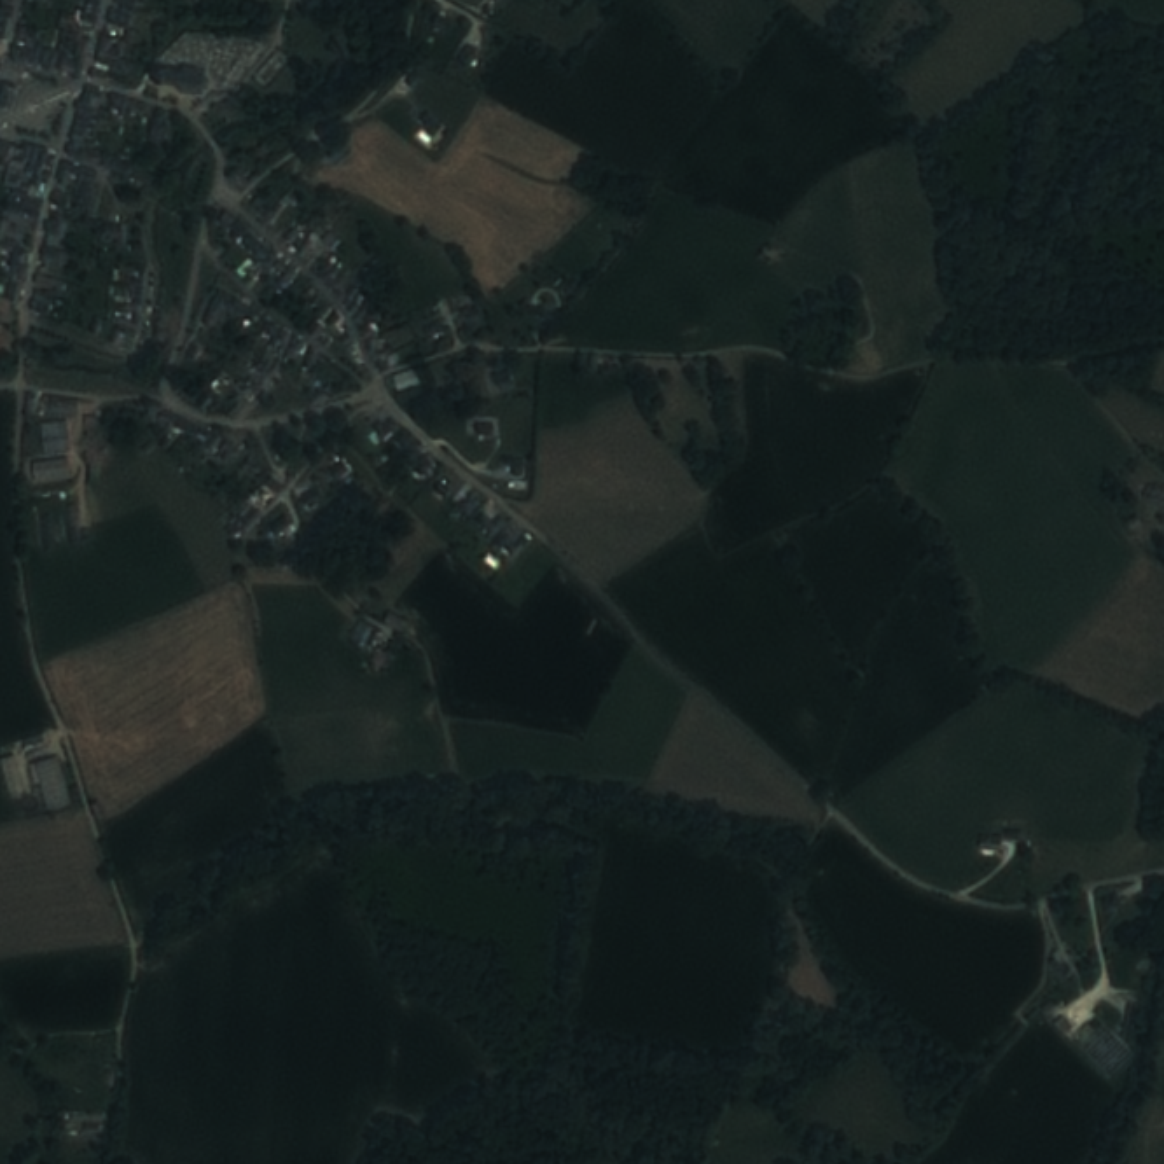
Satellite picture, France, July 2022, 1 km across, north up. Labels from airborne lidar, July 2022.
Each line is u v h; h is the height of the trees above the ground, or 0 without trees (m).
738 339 0
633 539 0
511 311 14
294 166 0
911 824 0
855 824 0
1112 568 0
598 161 8
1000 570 0
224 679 0
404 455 10
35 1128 19
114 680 0
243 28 18
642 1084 16
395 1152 19
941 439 0
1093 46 6
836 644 7
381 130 0
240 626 0
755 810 0
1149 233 0
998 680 17
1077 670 0
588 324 0
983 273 35
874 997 11
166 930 18
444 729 0
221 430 7
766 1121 0
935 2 18
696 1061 23
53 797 0
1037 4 0
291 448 24
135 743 0
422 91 0
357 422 0
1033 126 28
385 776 0
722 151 0
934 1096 17
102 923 0
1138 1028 12
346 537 30
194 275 0
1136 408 0
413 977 12
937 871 0
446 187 0
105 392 0
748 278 0
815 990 0
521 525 0
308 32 0
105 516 0
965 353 13
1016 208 25
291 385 0
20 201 0
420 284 0
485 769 0
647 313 0
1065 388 0
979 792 0
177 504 0
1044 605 0
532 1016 10
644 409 12
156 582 0
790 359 15
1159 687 0
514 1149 26
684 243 0
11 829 0
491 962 10
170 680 0
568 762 0
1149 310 20
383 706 0
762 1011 18
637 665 0
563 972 21
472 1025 9
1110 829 0
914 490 0
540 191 0
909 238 0
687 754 0
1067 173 8
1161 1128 0
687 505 0
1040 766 0
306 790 0
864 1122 0
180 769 0
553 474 0
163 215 0
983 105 20
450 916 0
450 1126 25
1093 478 0
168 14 8
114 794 0
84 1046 0
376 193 0
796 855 27
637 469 0
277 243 0
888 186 0
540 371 6
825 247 0
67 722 0
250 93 6
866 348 0
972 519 0
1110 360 11
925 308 0
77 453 0
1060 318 19
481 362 14
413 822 29
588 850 19
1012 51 0
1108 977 0
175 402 0
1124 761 0
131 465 0
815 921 9
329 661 0
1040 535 0
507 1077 12
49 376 0
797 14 6
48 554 0
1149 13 0
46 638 0
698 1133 27
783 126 0
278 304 11
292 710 0
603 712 0
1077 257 12
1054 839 0
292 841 27
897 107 21
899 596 7
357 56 18
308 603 0
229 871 25
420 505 0
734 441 24
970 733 0
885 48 9
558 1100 24
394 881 0
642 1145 10
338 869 12
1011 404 0
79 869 0
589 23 0
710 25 0
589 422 0
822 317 23
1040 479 0
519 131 0
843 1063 15
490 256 0
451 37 0
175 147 8
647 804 22
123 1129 14
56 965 0
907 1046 31
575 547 0
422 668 0
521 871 7
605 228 0
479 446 0
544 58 13
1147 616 0
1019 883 0
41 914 0
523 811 27
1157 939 26
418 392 11
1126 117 11
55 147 0
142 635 0
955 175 21
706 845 25
